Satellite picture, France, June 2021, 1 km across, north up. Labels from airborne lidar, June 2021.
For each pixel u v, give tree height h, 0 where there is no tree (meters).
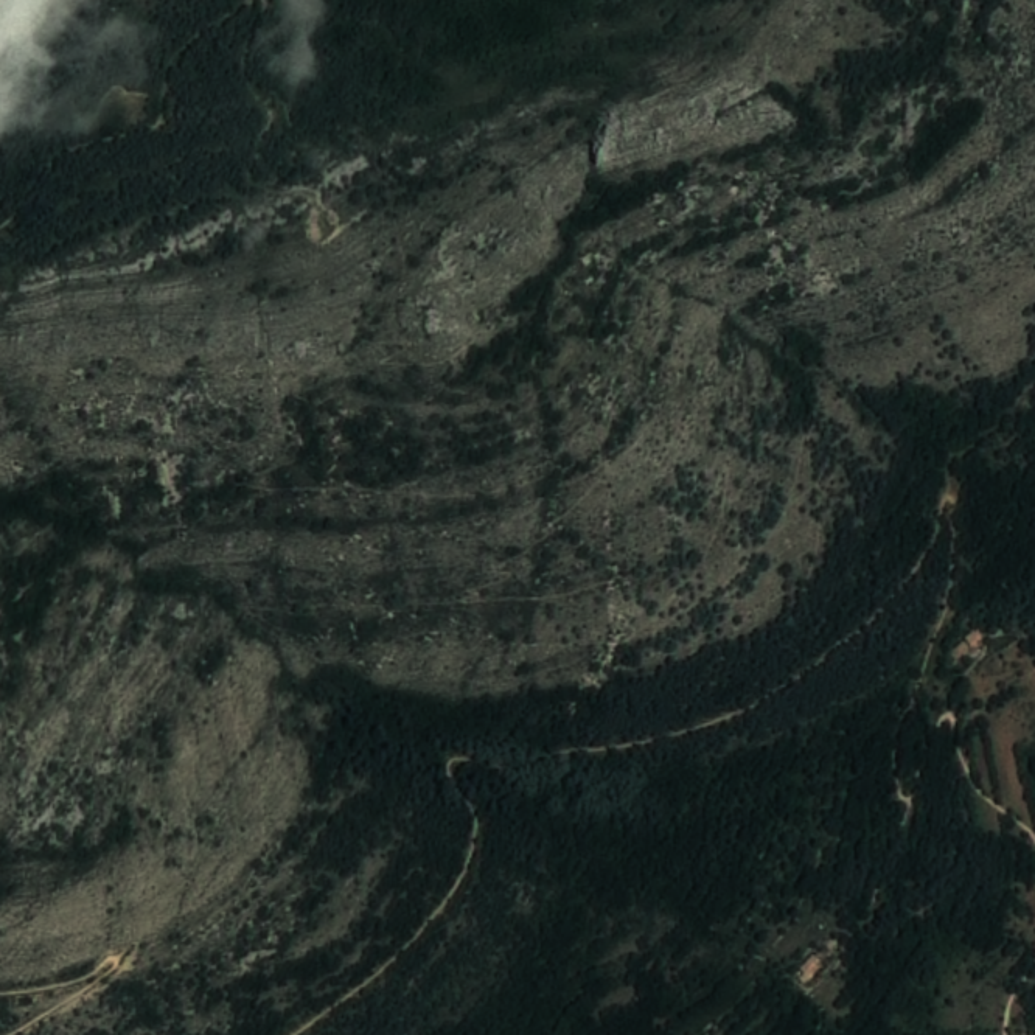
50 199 12
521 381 8
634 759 18
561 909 10
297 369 0
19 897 0
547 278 7
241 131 12
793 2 0
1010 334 0
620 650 7
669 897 11
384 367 0
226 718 0
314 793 8
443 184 13
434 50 8
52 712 0
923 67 10
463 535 0
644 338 0
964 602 12
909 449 10
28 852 7
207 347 0
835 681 21
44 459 7
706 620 9
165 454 0
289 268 0
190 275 0
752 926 13
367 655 0
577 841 11
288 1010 8
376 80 9
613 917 7
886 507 13
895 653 19
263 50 13
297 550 0
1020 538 14
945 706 9
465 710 9
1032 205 0
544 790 9
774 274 9
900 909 19
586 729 17
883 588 17
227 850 0
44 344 0
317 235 0
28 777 0
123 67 13
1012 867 12
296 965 7
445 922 7
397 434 7
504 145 0
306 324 0
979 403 16
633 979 13
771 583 0
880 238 0
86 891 0
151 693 0
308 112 16
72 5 10
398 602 14
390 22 9
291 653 0
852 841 13
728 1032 8
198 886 0
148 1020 8
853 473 12
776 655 19
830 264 0
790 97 8
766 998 13
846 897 11
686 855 15
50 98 9
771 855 14
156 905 0
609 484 0
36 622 7
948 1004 13
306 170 13
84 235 9
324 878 8
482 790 32
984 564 10
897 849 13
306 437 8
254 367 0
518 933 9
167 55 12
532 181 0
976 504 9
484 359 8
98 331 0
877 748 16
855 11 0
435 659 0
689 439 0
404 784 13
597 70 6
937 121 10
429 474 6
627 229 0
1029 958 13
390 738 17
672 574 7
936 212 0
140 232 8
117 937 0
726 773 13
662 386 0
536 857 16
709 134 0
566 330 7
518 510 0
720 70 0
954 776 12
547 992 17
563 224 12
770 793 11
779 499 11
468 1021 14
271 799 0
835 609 17
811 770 13
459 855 6
